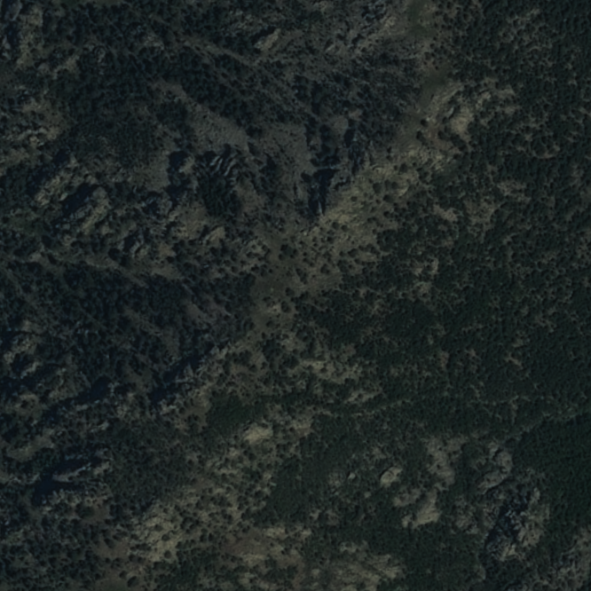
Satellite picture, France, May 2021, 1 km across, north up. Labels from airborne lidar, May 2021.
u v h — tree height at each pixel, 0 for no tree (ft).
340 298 50
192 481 21
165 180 0
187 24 46
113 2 0
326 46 0
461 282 40
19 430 85
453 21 59
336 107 22
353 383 31
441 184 23
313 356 19
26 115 51
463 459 31
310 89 28
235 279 31
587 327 47
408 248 28
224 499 31
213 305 44
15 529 51
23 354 27
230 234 52
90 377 46
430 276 37
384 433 35
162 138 36
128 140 27
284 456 52
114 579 0
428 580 40
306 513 32
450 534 45
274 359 68
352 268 55
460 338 38
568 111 65
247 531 41
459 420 47
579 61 32
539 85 61
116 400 30
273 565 20
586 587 83
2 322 37
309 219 34
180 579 32
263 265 26
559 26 30
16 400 52
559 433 53
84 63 61
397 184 42
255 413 21
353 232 0
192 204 26
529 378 63
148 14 50
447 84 0
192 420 43
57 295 24
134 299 72
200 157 23
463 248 75
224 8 30
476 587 41
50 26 84
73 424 71
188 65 48
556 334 54
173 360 29
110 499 27
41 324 29
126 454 33
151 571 30
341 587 0
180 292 58
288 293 47
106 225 30
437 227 30
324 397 25
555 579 53
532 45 56
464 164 31
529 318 55
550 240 32
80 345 24
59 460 37
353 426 32
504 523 41
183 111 25
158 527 28
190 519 57
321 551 27
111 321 82
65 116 27
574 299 57
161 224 37
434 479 26
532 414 47
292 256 33
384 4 36
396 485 42
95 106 29
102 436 29
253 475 36
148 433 19
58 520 37
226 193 63
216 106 63
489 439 42
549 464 52
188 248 70
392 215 50
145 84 70
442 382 32
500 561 52
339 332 45
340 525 20
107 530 35
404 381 19
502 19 45
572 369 66
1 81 0
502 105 44
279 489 37
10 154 62
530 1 51
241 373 35
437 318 48
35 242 41
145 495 33
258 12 27
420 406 47
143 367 68
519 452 43
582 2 74
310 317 54
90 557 57
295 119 52
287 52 29
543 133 78
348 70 23
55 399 31
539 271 52
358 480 41
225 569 33
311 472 41
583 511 49
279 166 72
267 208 30
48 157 68
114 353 36
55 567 49
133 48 67
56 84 61
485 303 62
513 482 38
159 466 40
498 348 60
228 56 22
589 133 60
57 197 55
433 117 28
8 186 78
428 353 36
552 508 41
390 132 45
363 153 34
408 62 20
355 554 23
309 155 0
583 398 39
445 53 38
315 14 19
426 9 0
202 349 31
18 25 49
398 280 33
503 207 50
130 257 64
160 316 25
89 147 34
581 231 45
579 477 41
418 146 0
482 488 76
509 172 64
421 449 42
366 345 48
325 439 44
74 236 39
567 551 27
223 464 22
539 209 64
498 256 49
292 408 50
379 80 17
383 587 37
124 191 64
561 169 47
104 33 68
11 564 77
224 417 33
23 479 66
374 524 29
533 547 34
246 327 31
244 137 0
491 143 71
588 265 37
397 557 21
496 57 44
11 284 25
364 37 45
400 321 37
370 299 59
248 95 35
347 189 0
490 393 43
